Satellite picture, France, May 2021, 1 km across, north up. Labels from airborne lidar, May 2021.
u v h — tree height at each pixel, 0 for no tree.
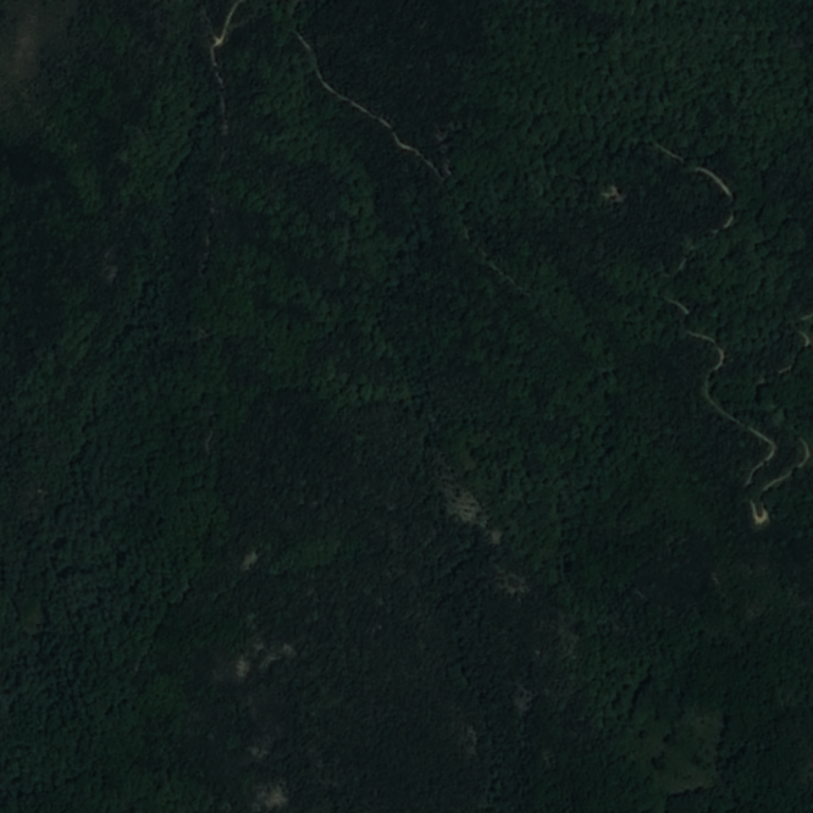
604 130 21
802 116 24
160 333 15
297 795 12
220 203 12
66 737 19
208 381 19
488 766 11
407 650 21
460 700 14
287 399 17
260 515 9
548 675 12
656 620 14
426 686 17
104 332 11
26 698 21
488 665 11
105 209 15
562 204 16
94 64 10
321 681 16
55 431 12
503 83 24
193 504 20
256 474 11
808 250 19
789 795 19
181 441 14
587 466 21
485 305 13
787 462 11
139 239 13
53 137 13
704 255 15
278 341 20
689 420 14
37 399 17
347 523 13
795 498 16
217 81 8
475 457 14
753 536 8
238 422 16
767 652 15
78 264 10
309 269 7
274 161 7
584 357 12
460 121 19
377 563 15
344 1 14
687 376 12
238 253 9
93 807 19
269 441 12
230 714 12
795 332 12
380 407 21
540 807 14
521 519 20
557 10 18
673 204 14
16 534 9
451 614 16
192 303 13
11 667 10
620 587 13
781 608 5
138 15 8
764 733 11
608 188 15
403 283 18
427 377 17
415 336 10
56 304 6
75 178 17
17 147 9
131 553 28
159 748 11
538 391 11
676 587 7
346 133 15
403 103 13
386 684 17
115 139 8
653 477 11
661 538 8
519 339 17
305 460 11
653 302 24
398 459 14
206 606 16
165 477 21
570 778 11
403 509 13
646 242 16
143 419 15
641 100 24
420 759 16
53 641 22
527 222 13
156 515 22
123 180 12
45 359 14
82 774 22
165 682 18
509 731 15
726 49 12
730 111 15
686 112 20
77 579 29
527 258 13
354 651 14
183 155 21
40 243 6
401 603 11
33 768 24
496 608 13
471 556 17
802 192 12
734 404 18
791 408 18
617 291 15
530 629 13
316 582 9
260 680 6
